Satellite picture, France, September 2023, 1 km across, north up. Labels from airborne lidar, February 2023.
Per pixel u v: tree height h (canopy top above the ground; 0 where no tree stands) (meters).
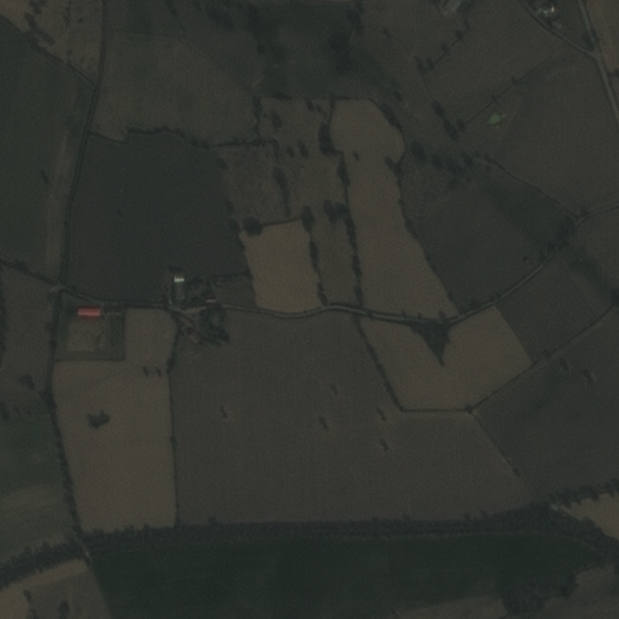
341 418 0
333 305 0
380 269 0
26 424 0
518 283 0
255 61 0
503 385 0
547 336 0
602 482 0
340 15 0
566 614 0
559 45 0
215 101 0
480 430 0
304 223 13
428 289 0
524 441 0
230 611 0
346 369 0
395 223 0
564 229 14
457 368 0
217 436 0
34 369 0
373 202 0
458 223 0
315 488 0
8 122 0
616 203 0
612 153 0
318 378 0
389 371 0
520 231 0
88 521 0
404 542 0
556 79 0
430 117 0
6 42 0
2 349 10
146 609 0
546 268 0
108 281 0
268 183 0
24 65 0
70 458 0
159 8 0
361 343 0
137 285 0
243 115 0
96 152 0
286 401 0
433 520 0
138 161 0
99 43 0
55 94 0
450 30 0
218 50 0
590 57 0
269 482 0
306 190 0
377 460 0
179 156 0
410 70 0
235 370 0
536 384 0
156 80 0
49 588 0
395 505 0
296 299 0
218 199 0
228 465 0
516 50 0
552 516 13
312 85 0
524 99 0
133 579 0
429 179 0
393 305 0
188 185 0
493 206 0
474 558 0
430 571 0
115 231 0
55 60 0
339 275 0
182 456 0
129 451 0
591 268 0
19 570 17
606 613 0
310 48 0
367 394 0
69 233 0
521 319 0
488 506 0
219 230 0
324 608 0
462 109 0
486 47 0
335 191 0
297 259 0
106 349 0
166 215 0
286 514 0
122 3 0
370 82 0
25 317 0
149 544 14
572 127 0
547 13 0
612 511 0
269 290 0
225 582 0
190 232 0
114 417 0
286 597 0
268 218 0
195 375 0
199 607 0
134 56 0
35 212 0
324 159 0
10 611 0
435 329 14
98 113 0
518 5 0
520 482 0
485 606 0
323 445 0
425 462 0
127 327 0
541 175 0
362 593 0
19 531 0
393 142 0
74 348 0
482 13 0
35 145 0
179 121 0
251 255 0
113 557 0
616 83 0
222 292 0
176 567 0
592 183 0
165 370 12
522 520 14
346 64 18
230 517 0
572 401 0
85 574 0
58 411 0
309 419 0
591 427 0
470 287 0
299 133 0
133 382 0
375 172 0
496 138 0
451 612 0
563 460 0
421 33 0
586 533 14
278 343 0
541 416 0
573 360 0
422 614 0
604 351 0
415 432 0
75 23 0
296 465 0
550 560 0
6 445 0
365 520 0
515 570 0
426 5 0
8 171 0
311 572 0
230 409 0
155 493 0
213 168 0
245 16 0
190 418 0
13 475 0
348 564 0
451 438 0
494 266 0
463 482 0
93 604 0
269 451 0
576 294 0
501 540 0
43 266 0
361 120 0
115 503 0
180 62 0
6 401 0
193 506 0
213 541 11
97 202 0
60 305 13
